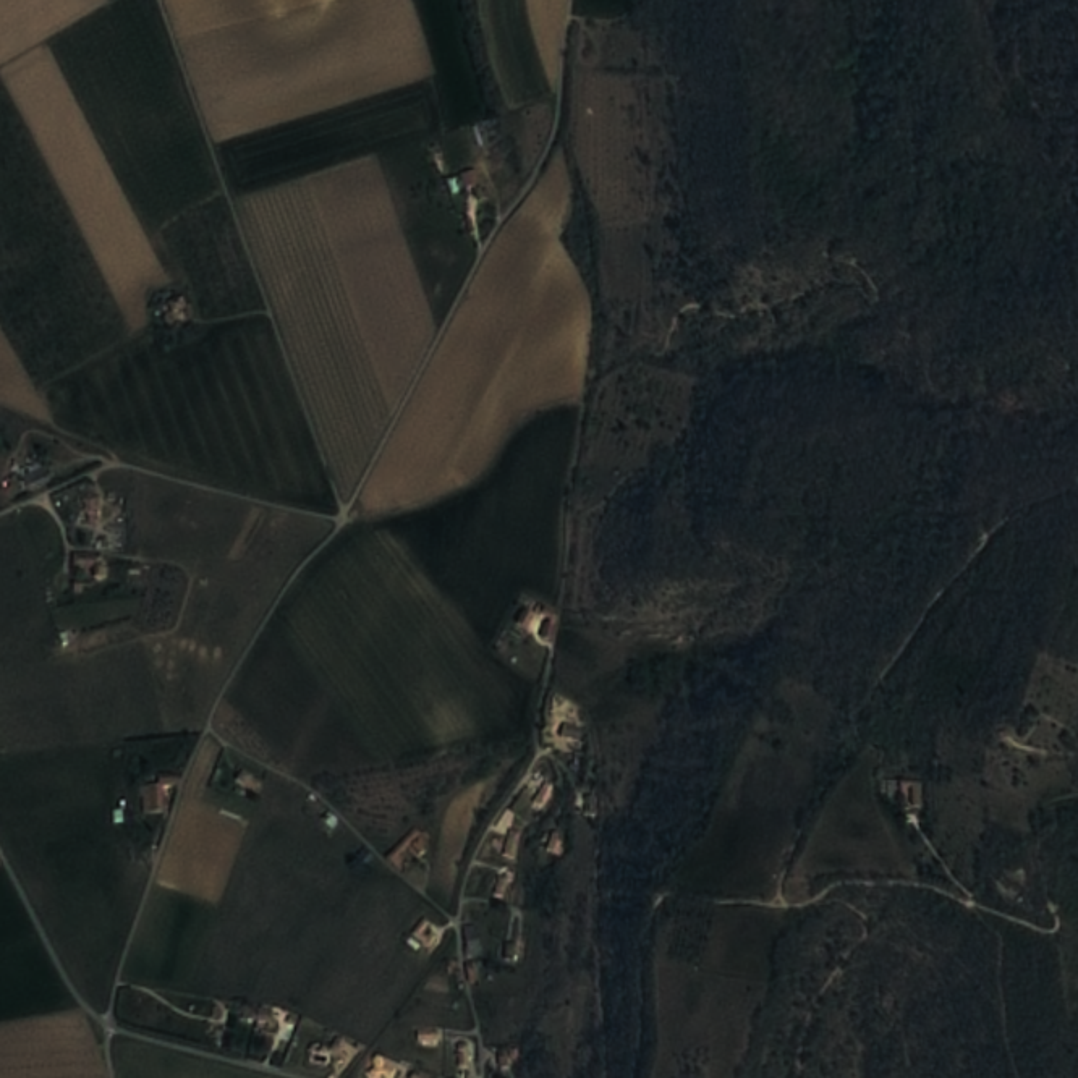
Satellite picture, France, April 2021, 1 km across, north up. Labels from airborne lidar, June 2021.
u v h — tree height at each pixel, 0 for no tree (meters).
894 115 17
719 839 0
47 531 0
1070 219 11
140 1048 0
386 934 0
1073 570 7
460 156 0
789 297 9
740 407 16
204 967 0
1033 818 11
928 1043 14
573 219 11
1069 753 8
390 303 0
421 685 0
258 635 0
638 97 6
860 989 7
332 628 0
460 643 0
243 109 0
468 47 12
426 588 0
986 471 15
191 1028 0
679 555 13
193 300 0
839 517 18
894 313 9
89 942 0
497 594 0
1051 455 16
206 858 0
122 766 0
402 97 0
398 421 0
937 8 12
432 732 0
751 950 0
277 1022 0
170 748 0
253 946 0
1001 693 11
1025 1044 8
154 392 0
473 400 0
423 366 0
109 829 0
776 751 7
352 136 0
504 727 0
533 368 0
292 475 0
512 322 0
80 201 0
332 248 0
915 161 11
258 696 0
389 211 0
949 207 10
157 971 0
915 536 13
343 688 0
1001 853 13
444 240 0
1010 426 18
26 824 0
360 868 11
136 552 0
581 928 12
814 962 11
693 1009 0
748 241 12
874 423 15
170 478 0
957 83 12
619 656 0
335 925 0
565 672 0
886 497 16
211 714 0
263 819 0
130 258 0
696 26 10
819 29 17
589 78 0
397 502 0
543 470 0
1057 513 11
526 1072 12
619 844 12
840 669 12
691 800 11
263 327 0
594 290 9
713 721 16
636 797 6
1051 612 9
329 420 0
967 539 12
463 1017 0
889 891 12
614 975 6
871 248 8
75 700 0
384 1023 0
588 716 8
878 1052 10
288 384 0
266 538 0
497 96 7
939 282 13
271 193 0
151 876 0
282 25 0
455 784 6
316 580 0
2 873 0
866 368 7
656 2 8
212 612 0
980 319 13
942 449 14
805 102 8
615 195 0
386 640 0
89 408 0
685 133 7
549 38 0
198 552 0
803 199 6
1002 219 15
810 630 9
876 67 19
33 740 0
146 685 0
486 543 0
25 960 0
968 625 9
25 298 7
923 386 12
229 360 0
